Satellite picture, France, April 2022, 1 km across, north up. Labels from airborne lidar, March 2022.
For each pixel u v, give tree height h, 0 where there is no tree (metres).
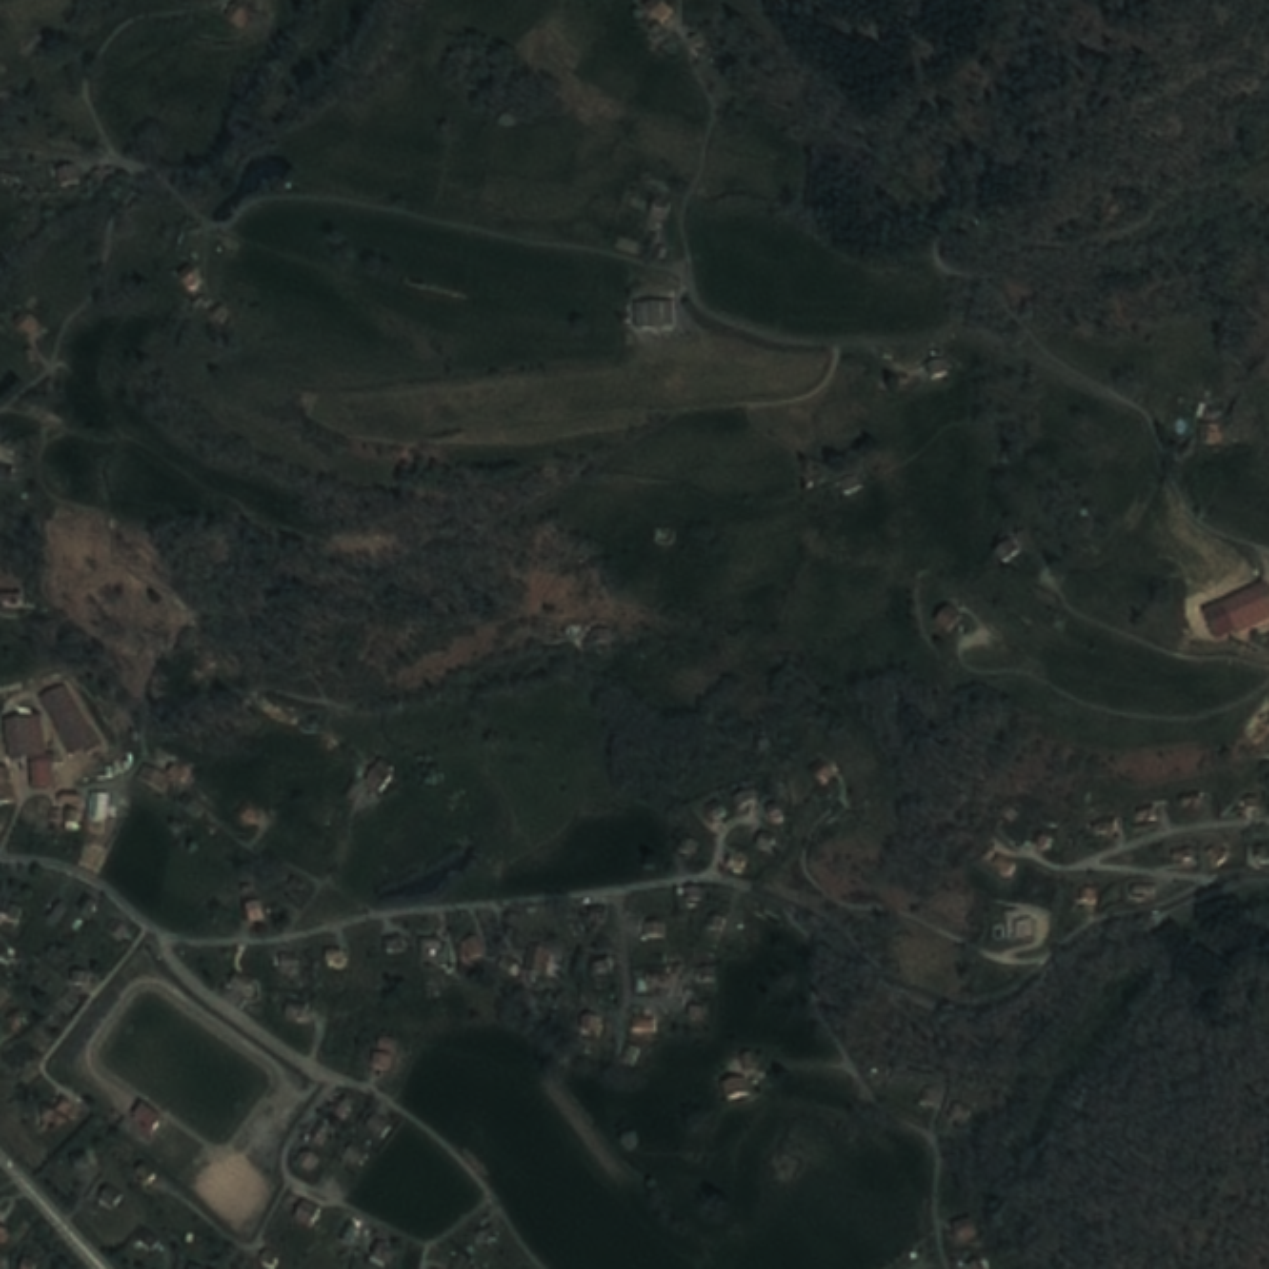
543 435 0
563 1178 0
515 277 0
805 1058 0
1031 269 15
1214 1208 16
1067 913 0
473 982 14
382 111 0
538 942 11
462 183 0
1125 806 0
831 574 0
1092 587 0
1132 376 20
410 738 0
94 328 0
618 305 0
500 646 7
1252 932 18
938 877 18
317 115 21
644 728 23
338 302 0
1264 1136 15
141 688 0
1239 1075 20
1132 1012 18
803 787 0
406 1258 0
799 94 7
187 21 6
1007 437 15
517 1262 0
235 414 0
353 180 0
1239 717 0
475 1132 0
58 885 0
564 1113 0
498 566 23
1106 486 0
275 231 0
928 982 0
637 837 0
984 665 0
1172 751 0
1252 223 20
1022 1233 7
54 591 0
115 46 0
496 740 11
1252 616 0
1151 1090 18
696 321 0
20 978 0
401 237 0
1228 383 0
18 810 0
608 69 0
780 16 20
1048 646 0
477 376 0
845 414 0
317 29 11
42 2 0
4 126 20
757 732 14
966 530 0
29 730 0
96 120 0
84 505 0
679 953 0
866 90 30
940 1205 0
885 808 0
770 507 0
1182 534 0
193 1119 0
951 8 22
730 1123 0
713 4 0
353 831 0
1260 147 25
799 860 0
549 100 25
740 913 0
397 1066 0
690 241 0
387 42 18
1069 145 18
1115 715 0
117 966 0
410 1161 0
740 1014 0
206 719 17
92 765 0
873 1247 0
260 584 15
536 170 0
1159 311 19
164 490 0
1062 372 0
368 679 12
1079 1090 25
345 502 18
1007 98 25
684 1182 0
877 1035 6
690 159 0
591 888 0
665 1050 0
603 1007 0
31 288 0
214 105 0
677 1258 0
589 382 0
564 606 0
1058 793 6
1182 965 21
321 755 0
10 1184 0
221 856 0
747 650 0
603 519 0
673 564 0
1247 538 0
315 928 0
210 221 0
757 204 0
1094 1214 22
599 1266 0
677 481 0
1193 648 0
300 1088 0
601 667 14
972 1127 0
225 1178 0
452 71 13
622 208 0
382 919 0
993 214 23
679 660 0
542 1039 18
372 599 25
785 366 0
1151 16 15
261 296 0
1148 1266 14
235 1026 0
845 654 0
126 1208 0
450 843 0
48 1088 0
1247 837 9
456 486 14
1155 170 22
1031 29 17
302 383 0
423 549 19
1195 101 16
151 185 18
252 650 17
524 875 0
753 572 0
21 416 0
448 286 0
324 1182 0
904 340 0
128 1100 0
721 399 0
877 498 0
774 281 0
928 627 0
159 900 0
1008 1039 18
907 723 19
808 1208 0
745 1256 0
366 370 0
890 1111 18
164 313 0
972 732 19
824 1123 0
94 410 0
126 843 0
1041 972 0
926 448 0
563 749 0
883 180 13
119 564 0
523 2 0
